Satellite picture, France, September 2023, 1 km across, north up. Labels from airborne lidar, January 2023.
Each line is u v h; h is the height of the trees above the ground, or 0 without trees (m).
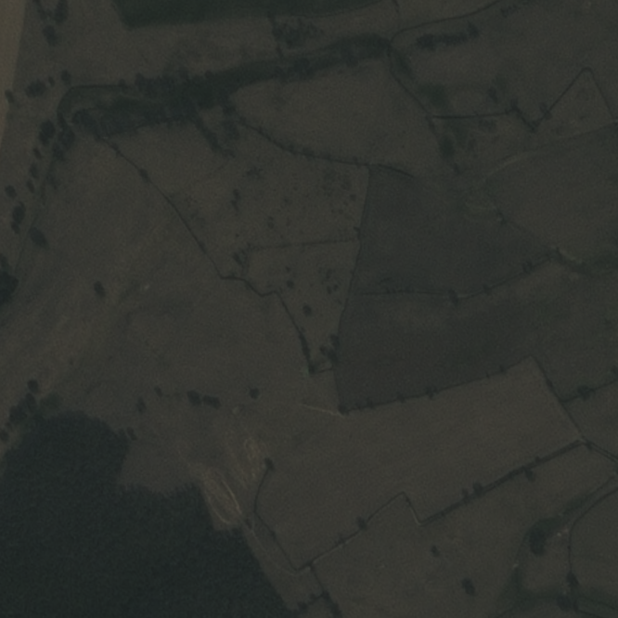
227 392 0
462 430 0
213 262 0
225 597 9
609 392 0
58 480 11
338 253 0
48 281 0
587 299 0
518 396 0
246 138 0
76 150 0
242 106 0
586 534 0
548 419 0
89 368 0
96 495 14
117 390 0
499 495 0
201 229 0
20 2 0
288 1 0
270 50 0
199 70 0
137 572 27
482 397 0
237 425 0
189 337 0
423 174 0
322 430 0
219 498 0
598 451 0
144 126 0
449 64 0
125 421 0
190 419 0
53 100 0
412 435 0
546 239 0
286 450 0
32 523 7
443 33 0
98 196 0
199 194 0
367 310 0
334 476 0
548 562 0
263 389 0
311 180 0
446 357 0
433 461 0
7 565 20
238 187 0
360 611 0
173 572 19
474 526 0
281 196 0
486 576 0
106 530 17
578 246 0
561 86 0
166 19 0
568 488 0
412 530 0
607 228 0
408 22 0
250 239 0
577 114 0
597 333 0
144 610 12
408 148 0
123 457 8
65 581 17
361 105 0
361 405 8
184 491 13
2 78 0
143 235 0
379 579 0
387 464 0
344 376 0
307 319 0
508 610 0
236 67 0
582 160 0
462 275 0
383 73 0
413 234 0
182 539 13
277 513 0
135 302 0
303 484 0
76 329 0
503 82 0
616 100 0
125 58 0
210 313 0
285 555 0
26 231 0
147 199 0
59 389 0
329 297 0
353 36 0
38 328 0
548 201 0
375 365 0
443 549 0
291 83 0
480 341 0
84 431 15
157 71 0
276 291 0
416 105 0
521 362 0
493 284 0
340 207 0
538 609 0
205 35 0
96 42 0
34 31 0
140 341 0
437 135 0
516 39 0
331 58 0
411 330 0
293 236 0
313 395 0
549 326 0
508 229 0
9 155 0
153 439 0
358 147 0
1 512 11
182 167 0
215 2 0
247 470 0
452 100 0
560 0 0
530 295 0
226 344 0
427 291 0
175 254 0
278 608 11
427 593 0
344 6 0
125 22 0
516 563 0
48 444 13
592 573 0
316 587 0
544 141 0
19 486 12
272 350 0
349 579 0
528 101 0
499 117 0
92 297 0
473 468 0
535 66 0
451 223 0
